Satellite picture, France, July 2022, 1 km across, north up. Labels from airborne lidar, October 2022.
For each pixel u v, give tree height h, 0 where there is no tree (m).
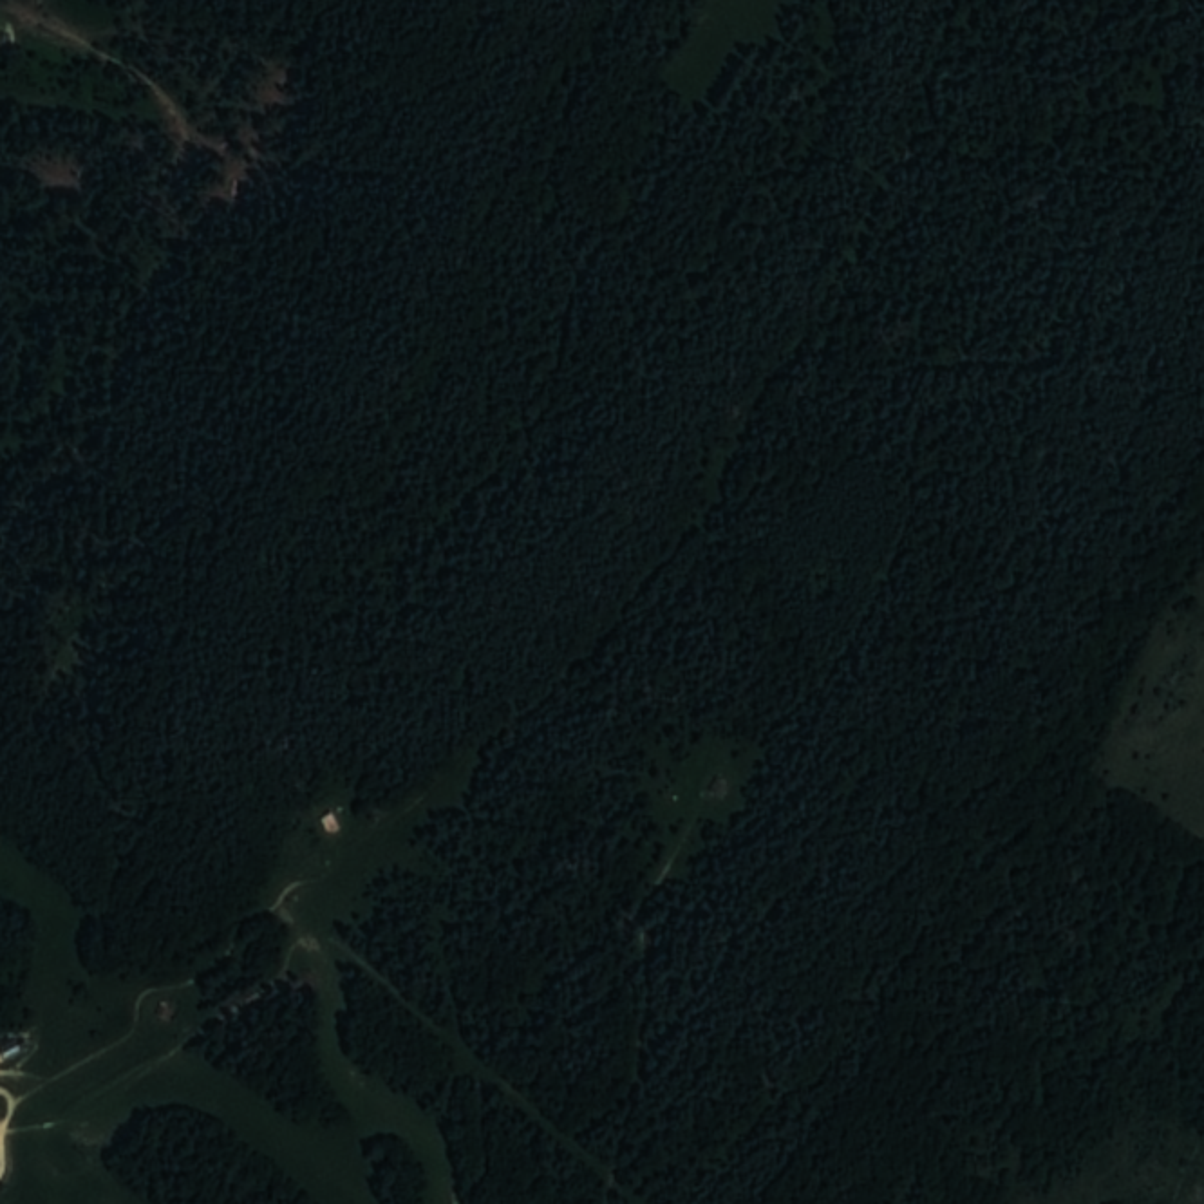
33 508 27
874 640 17
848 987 20
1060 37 19
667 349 24
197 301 23
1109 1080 14
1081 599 18
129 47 11
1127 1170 0
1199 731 0
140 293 18
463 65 27
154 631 31
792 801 17
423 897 6
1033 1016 20
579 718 22
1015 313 23
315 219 28
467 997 14
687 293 28
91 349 18
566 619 24
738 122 21
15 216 12
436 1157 0
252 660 24
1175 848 13
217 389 28
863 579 17
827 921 23
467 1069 0
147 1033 0
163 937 18
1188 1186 0
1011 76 16
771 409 21
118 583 26
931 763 22
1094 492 22
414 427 14
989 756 25
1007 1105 9
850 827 20
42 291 31
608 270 24
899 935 20
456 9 27
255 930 20
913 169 18
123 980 7
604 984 23
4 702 25
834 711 25
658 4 21
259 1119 0
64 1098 0
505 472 19
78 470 33
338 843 0
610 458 24
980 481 21
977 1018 17
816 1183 17
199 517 32
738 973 24
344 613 15
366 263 22
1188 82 23
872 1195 15
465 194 12
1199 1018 12
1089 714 12
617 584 25
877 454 25
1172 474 22
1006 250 24
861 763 19
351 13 23
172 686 21
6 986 10
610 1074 15
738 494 21
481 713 21
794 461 21
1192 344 22
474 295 22
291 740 21
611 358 25
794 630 16
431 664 23
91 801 30
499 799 19
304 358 31
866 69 13
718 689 15
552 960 24
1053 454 19
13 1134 0
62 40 0
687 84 0
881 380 21
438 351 12
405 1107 0
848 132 19
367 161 17
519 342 18
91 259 13
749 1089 21
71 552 22
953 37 16
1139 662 8
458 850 16
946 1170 13
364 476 17
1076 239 25
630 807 9
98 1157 0
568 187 24
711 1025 26
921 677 22
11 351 28
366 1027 20
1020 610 20
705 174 21
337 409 22
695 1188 14
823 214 14
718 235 22
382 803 18
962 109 23
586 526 21
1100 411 22
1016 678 18
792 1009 18
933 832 22
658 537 23
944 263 8
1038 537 27
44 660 26
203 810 19
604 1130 23
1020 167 28
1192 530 6
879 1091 19
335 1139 0
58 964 0
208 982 15
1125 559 15
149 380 31
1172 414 22
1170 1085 7
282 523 16
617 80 20
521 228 14
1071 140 23
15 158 16
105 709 28
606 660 30
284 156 17
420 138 27
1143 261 23
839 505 16
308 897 0
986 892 15
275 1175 16
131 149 10
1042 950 16
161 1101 0
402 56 22
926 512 23
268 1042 18
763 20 0
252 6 26
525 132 22
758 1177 15
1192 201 21
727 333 24
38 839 32
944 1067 12
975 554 15
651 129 9
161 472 29
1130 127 26
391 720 24
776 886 27
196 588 28
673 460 23
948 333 20
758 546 10
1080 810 14
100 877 23
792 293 20
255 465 30
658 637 22
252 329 21
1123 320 25
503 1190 22
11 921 31
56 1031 0
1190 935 12
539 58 26
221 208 10
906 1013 18
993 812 19
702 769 0
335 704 27
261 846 14
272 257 29
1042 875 18
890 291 12
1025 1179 5
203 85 7
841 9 20
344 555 12
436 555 32
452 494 14
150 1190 12
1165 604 9
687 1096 21
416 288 18
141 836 20
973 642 21
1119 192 20
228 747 20
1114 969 14
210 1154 21
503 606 21
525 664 17
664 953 16
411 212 26
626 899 16
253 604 20
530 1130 21
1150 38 13
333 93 27
